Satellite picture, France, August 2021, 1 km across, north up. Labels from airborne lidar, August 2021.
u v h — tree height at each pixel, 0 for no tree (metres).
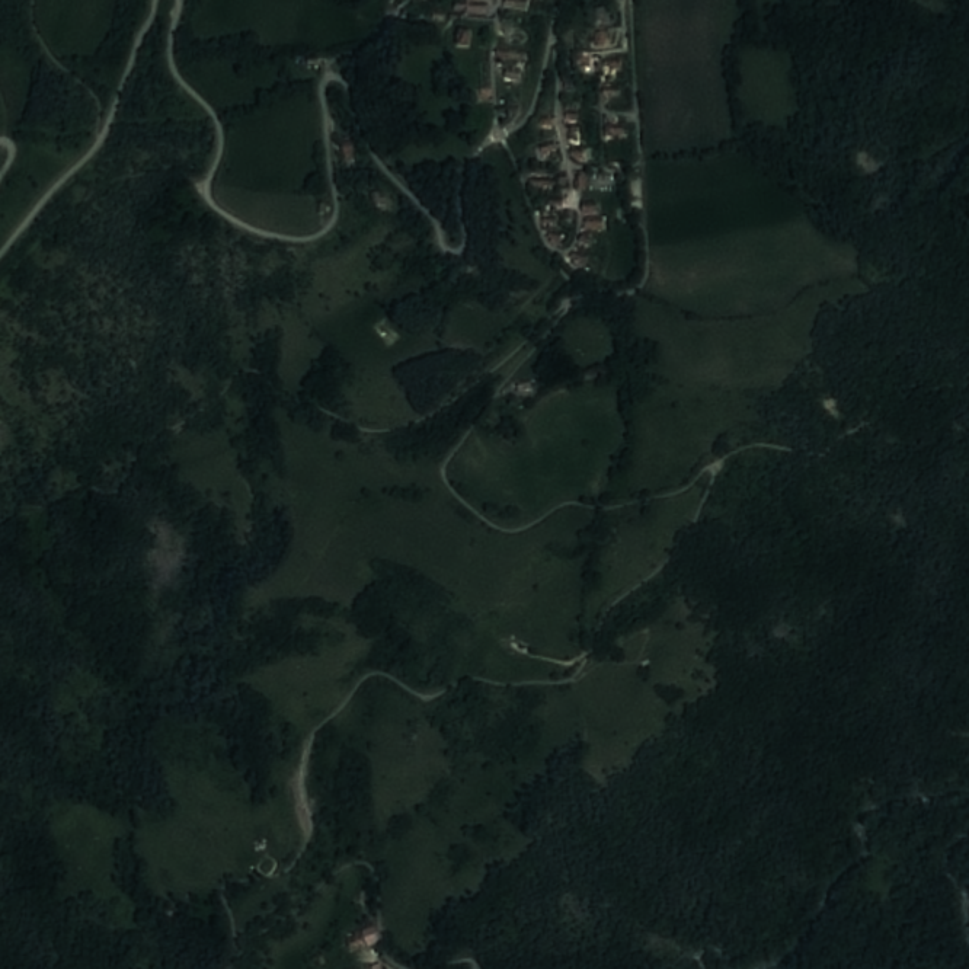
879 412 14
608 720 0
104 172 9
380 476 0
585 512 0
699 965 8
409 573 11
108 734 16
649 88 0
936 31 15
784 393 10
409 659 8
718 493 6
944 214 21
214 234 9
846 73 14
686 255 0
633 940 14
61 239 16
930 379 10
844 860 11
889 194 6
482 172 15
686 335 0
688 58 0
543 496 0
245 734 18
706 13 0
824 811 17
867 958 13
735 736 9
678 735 7
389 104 22
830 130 17
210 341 8
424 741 0
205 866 0
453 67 23
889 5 19
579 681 0
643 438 0
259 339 8
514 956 13
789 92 0
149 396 8
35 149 0
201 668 13
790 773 11
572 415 0
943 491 10
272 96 16
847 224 19
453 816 0
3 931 13
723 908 14
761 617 13
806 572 13
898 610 11
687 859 13
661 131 0
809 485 15
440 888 0
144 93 12
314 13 0
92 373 11
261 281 6
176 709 12
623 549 0
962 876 12
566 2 16
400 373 18
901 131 12
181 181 13
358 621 14
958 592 14
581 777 10
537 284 9
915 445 13
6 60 0
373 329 0
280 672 0
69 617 11
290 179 0
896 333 11
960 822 15
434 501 0
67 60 9
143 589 11
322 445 0
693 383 0
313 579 0
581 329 0
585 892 8
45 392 8
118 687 7
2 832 10
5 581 10
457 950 16
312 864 8
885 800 10
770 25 12
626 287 11
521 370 0
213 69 0
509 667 0
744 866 11
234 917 0
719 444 13
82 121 7
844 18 23
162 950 13
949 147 8
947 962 7
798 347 0
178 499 14
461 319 0
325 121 0
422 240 10
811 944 19
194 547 11
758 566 13
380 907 10
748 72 0
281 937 10
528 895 11
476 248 19
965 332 8
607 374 9
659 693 11
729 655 12
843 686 13
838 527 11
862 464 16
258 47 20
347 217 0
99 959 12
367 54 23
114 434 12
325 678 0
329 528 0
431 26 21
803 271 0
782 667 13
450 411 10
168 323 7
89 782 19
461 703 14
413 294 15
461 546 0
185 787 0
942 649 10
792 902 17
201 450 0
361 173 15
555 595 0
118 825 0
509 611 0
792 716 10
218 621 8
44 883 16
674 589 9
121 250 7
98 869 0
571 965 13
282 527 12
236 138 0
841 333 13
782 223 0
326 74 0
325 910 0
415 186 15
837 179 15
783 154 19
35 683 8
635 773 10
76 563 12
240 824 0
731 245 0
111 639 14
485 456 0
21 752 14
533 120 10
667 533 0
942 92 15
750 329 0
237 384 6
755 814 12
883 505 15
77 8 0
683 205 0
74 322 8
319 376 14
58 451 13
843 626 8
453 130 7
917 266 12
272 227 0
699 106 0
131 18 12
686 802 10
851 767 17
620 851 12
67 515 20
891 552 16
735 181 0
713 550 13
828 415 8
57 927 13
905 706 10
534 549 0
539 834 6
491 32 15
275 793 11
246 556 11
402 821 12
